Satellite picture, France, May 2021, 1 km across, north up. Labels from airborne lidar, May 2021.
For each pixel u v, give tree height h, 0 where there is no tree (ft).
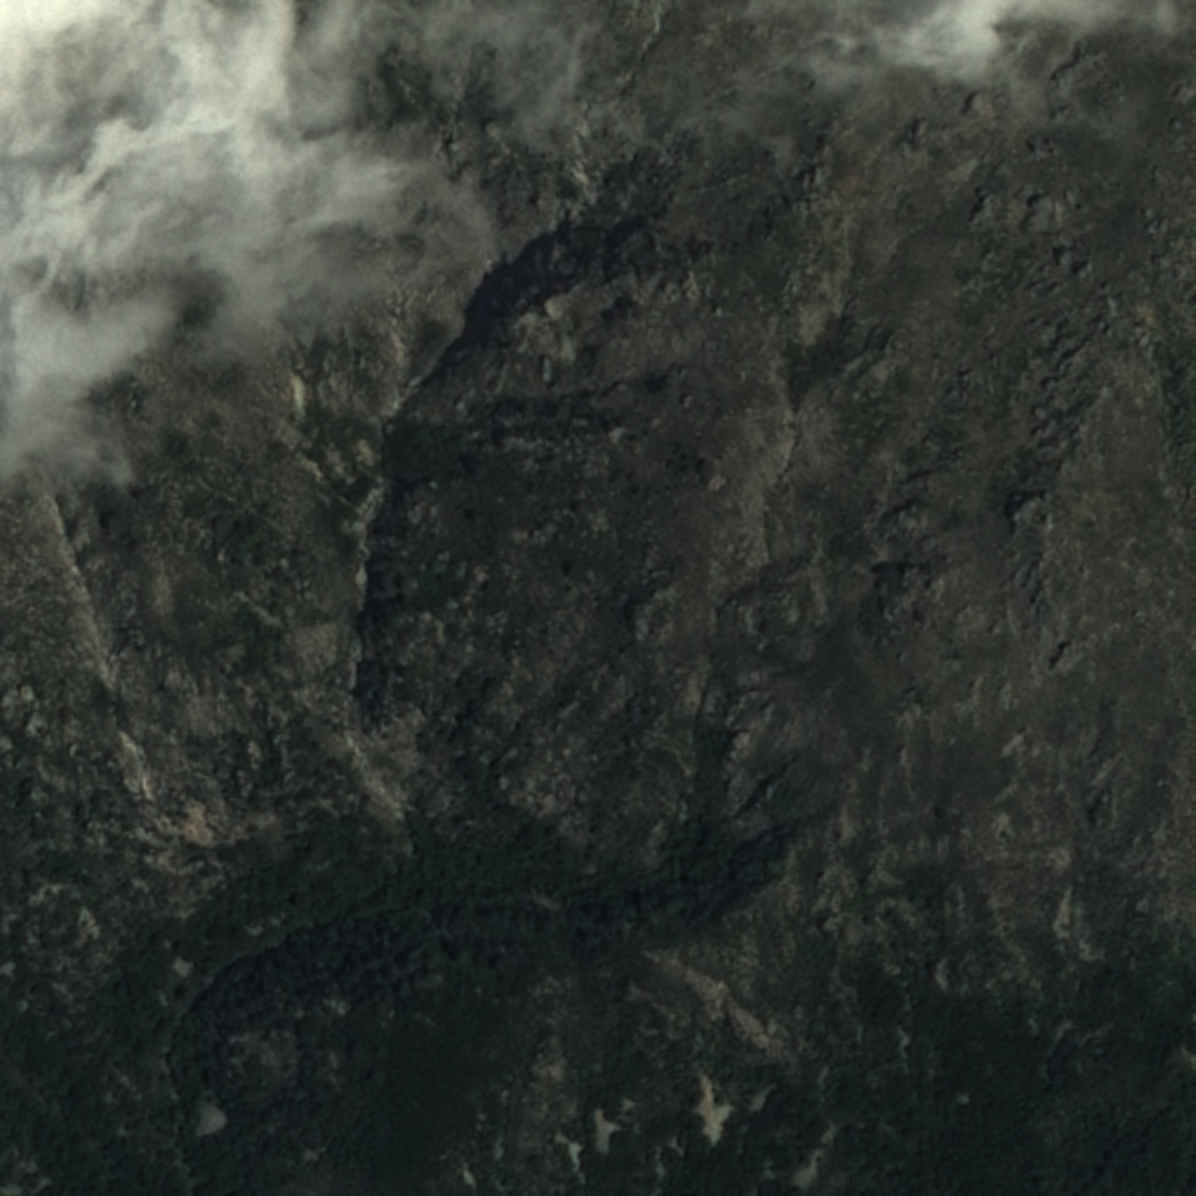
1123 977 23
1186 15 0
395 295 0
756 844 36
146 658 19
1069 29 0
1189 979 29
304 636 0
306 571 39
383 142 0
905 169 0
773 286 0
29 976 43
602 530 22
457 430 21
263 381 0
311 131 21
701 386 0
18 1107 32
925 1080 31
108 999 38
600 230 29
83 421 0
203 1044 44
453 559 19
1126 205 0
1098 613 0
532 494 29
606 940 18
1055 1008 34
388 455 21
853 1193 61
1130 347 61
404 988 72
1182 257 0
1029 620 0
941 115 0
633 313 25
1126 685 0
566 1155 27
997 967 40
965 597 0
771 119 0
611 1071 27
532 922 35
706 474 52
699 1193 48
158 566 0
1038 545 0
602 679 19
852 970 31
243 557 33
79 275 30
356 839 24
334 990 29
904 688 0
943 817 57
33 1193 36
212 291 0
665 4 0
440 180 0
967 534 0
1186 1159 43
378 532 19
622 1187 35
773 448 0
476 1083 26
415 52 0
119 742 0
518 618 20
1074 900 24
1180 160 0
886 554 0
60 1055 32
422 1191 20
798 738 0
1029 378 0
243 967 55
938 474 0
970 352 0
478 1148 24
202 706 0
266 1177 31
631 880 29
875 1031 48
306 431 29
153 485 29
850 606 0
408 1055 22
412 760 0
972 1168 50
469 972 32
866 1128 28
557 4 20
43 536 0
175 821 23
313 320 41
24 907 32
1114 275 0
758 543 0
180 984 24
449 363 34
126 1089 22
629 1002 21
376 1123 20
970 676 0
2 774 48
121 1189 58
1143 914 29
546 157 46
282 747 27
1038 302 0
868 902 21
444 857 40
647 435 23
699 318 0
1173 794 0
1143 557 0
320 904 43
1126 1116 31
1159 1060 34
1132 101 0
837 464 0
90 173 0
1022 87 0
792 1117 32
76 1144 55
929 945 23
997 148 0
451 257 0
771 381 0
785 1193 45
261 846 21
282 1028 30
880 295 0
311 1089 29
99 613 0
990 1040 27
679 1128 30
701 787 30
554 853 25
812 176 18
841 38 0
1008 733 0
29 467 0
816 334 0
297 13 40
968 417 0
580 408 27
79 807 37
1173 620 0
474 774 47
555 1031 27
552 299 51
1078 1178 33
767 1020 24
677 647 0
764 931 25
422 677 29
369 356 25
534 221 0
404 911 21
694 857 26
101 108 0
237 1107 48
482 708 23
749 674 0
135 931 36
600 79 0
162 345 0
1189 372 20
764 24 0
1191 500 35
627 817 41
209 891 21
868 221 0
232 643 21
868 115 0
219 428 39
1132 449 0
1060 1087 28
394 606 53
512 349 37
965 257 0
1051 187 0
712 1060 31
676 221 0
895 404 0
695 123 42
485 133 23
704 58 0
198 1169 52
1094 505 0
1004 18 0
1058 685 0
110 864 34
